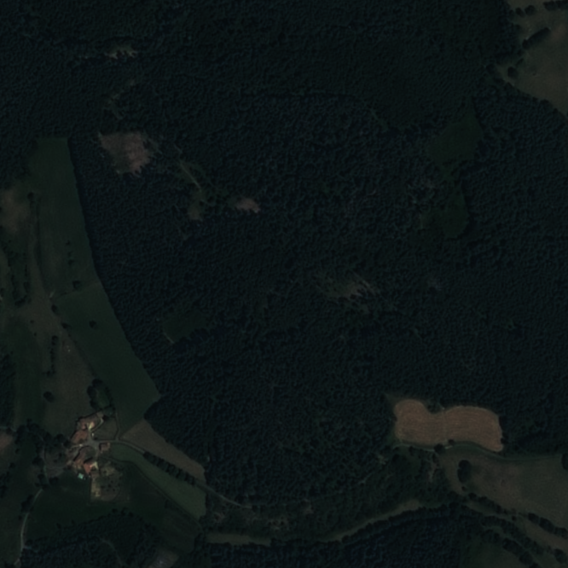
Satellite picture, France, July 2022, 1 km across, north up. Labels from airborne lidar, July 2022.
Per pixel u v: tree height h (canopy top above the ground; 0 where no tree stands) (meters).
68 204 0
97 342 0
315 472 6
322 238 32
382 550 25
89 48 41
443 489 7
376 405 32
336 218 30
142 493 0
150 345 28
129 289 28
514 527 16
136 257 37
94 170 31
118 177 36
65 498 0
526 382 31
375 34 29
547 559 0
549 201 28
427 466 11
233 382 33
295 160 21
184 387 29
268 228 30
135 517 15
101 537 8
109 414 0
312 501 17
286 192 20
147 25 13
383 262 21
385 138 32
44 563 21
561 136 24
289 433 34
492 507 19
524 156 29
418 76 17
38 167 0
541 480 0
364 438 31
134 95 13
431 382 32
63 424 0
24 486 0
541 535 0
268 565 9
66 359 0
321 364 36
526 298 32
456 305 29
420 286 20
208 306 34
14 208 0
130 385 0
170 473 26
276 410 31
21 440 17
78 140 32
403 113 16
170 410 16
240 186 18
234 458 28
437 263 32
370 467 23
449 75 17
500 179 35
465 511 21
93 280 0
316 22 23
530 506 0
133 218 34
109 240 32
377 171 30
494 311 31
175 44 20
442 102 17
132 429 0
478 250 31
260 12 35
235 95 24
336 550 21
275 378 29
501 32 24
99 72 33
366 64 16
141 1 10
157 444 0
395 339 35
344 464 26
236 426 31
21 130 32
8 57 34
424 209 20
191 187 13
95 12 16
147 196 31
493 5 9
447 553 24
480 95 11
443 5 14
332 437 28
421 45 18
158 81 25
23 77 34
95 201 35
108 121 21
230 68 28
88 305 0
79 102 30
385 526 20
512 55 24
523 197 28
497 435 0
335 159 29
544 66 0
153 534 14
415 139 44
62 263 0
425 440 0
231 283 29
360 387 34
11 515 0
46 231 0
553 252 35
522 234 28
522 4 0
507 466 0
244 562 27
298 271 33
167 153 25
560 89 0
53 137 9
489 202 28
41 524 0
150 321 25
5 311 0
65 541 5
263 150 18
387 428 32
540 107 28
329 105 24
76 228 0
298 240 27
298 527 14
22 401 0
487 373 28
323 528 15
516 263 33
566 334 31
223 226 30
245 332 27
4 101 27
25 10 30
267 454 32
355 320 12
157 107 21
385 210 29
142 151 0
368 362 34
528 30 0
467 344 27
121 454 0
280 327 12
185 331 0
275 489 23
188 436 17
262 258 13
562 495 0
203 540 11
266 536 8
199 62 20
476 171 31
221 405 14
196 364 35
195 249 33
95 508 0
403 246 28
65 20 11
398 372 42
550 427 35
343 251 19
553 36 0
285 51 17
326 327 23
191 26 17
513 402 33
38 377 0
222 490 27
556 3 14
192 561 9
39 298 0
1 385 14
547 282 32
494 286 34
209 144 13
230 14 34
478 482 0
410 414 0
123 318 29
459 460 0
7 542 0
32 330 0
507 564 0
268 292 11
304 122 27
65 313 0
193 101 12
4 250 9
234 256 29
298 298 23
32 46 34
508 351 31
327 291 32
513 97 26
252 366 34
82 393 0
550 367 30
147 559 12
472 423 0
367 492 15
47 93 32
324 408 6
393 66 19
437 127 22
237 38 13
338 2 25
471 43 16
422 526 26
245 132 30
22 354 0
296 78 16
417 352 38
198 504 0
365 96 16
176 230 28
